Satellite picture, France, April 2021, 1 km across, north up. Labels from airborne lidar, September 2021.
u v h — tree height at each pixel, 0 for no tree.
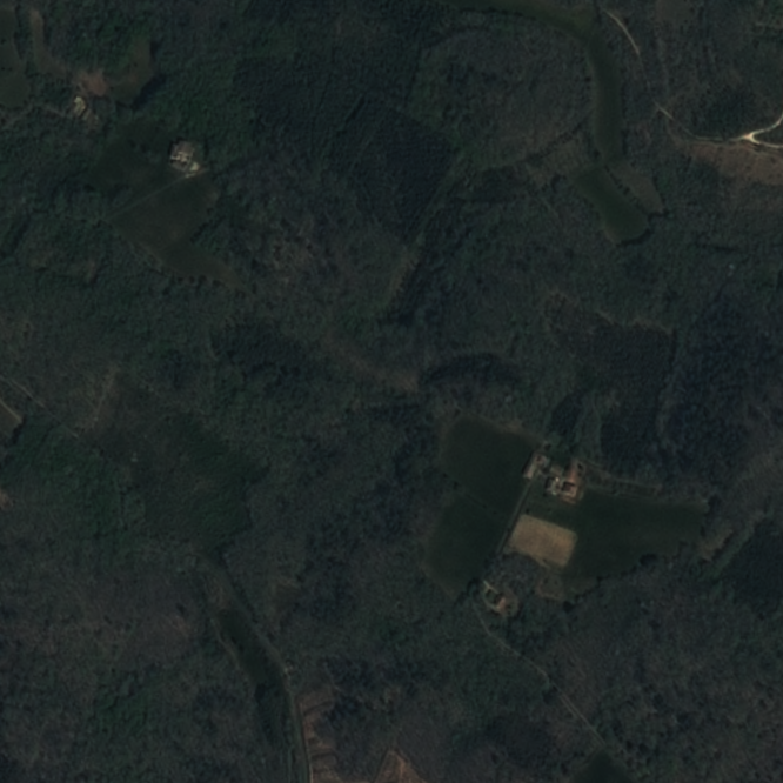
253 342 8
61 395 15
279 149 22
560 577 0
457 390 14
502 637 16
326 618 24
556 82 16
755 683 16
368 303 20
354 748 17
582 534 0
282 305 19
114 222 0
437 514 11
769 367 21
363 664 16
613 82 0
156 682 16
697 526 0
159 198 0
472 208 13
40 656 12
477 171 12
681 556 9
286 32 15
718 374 30
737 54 15
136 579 14
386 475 22
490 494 0
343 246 18
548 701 16
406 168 12
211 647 14
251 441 17
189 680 15
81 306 16
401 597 13
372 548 17
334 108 13
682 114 7
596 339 9
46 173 17
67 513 17
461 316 22
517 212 15
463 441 0
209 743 21
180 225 0
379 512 20
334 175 18
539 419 21
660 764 16
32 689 19
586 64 11
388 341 18
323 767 0
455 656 20
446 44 18
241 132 24
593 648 15
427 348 22
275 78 15
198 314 21
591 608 15
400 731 16
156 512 6
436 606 14
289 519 23
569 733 9
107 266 14
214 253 8
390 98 14
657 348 10
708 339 23
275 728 25
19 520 15
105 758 18
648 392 9
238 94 15
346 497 23
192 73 20
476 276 24
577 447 12
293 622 20
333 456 10
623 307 18
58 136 13
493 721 8
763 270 16
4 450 21
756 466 21
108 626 10
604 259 21
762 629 16
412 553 23
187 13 17
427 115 15
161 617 13
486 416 18
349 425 20
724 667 18
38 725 16
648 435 10
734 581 10
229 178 20
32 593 18
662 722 13
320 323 23
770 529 7
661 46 12
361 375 18
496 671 19
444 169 14
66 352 14
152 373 21
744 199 10
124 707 24
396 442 21
